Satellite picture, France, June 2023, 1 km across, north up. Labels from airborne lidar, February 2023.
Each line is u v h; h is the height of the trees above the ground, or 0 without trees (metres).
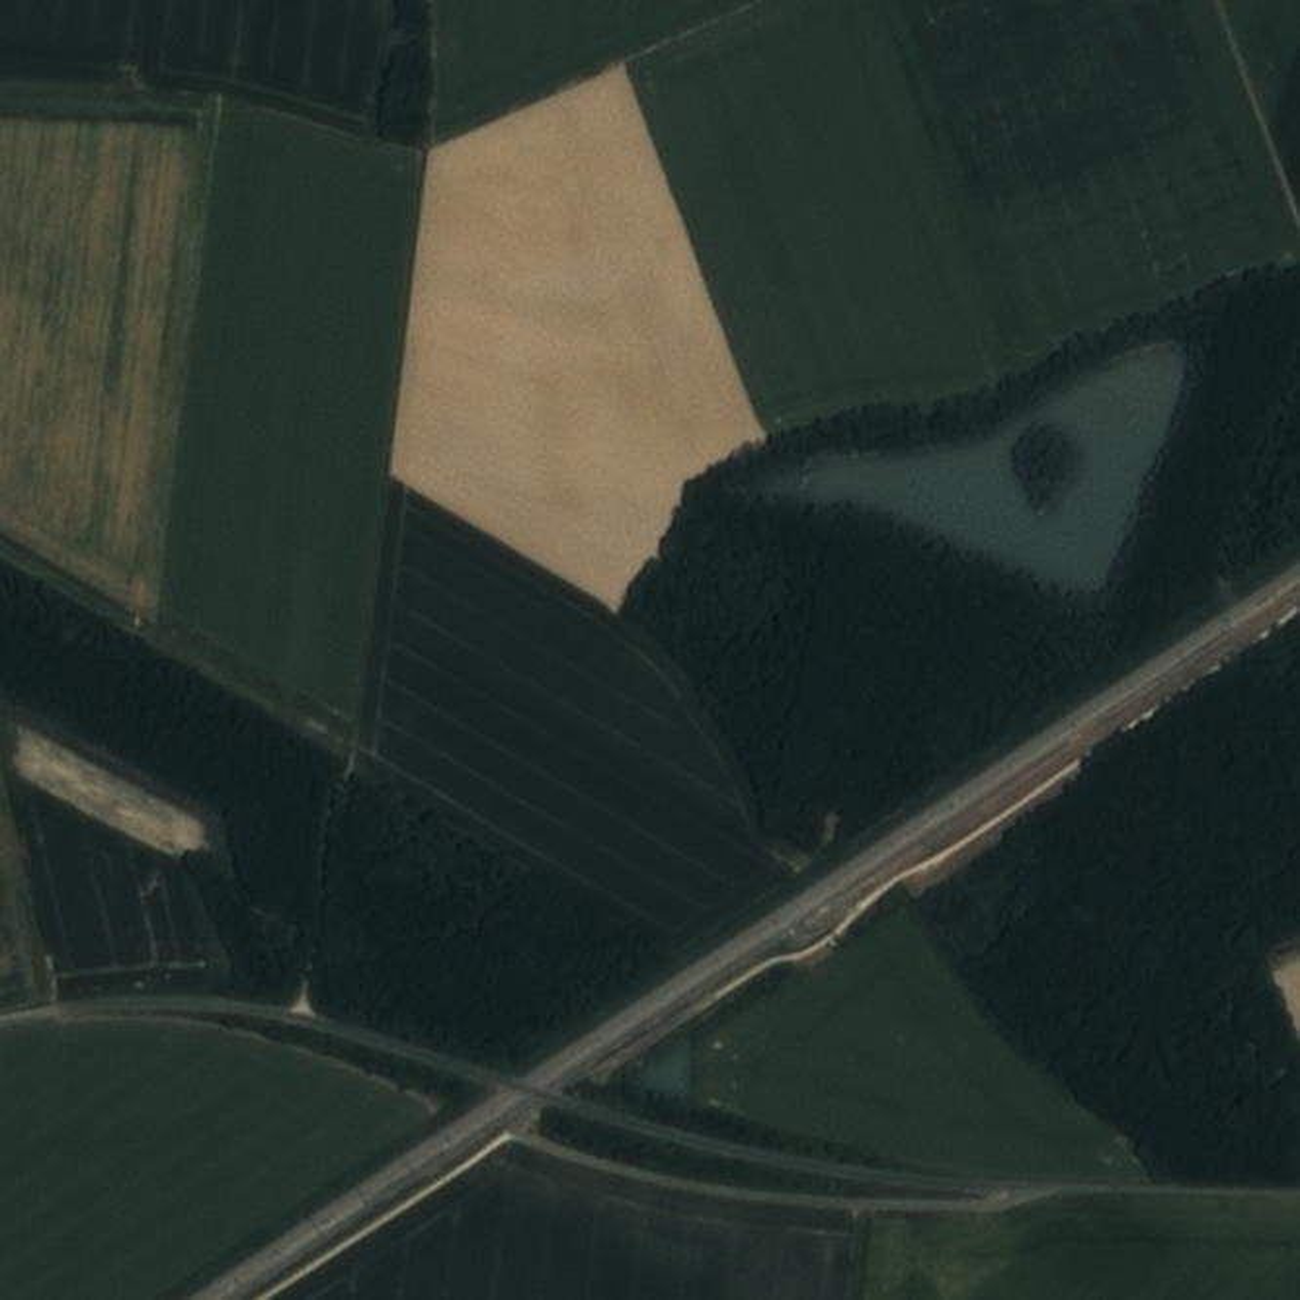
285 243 0
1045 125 0
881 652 23
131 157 0
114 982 0
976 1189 0
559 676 0
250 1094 0
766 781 16
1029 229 0
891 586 23
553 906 14
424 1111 0
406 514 0
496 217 0
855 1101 0
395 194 0
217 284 0
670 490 0
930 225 0
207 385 0
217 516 0
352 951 12
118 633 6
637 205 0
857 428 23
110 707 15
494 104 0
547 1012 9
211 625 0
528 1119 0
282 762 12
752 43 0
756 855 0
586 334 0
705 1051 0
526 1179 0
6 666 16
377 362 0
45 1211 0
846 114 0
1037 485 18
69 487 0
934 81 0
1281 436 13
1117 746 17
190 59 0
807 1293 0
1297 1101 21
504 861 16
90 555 0
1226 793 16
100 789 0
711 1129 6
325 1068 0
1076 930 15
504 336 0
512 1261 0
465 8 0
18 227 0
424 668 0
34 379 0
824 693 20
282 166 0
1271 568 0
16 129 0
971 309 0
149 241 0
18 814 0
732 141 0
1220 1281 0
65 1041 0
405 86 16
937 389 0
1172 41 0
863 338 0
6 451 0
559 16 0
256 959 11
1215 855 18
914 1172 0
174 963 0
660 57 0
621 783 0
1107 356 11
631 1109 7
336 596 0
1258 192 0
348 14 0
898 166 0
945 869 0
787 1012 0
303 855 15
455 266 0
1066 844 18
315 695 0
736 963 0
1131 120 0
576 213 0
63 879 0
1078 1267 0
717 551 17
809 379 0
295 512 0
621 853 0
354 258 0
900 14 0
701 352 0
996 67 0
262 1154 0
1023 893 14
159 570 0
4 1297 0
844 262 0
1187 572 23
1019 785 0
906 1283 0
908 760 18
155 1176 0
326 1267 0
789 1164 0
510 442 0
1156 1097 22
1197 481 23
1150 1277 0
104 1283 0
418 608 0
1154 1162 11
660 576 9
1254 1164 19
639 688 0
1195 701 20
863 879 0
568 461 0
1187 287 0
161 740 14
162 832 0
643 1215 0
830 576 22
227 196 0
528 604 0
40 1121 0
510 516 0
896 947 0
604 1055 0
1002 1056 0
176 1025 0
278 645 0
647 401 0
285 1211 0
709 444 0
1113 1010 25
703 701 7
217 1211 0
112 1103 0
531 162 0
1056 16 0
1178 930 16
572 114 0
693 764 0
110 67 0
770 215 0
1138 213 0
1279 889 21
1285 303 23
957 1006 0
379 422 0
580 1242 0
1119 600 18
